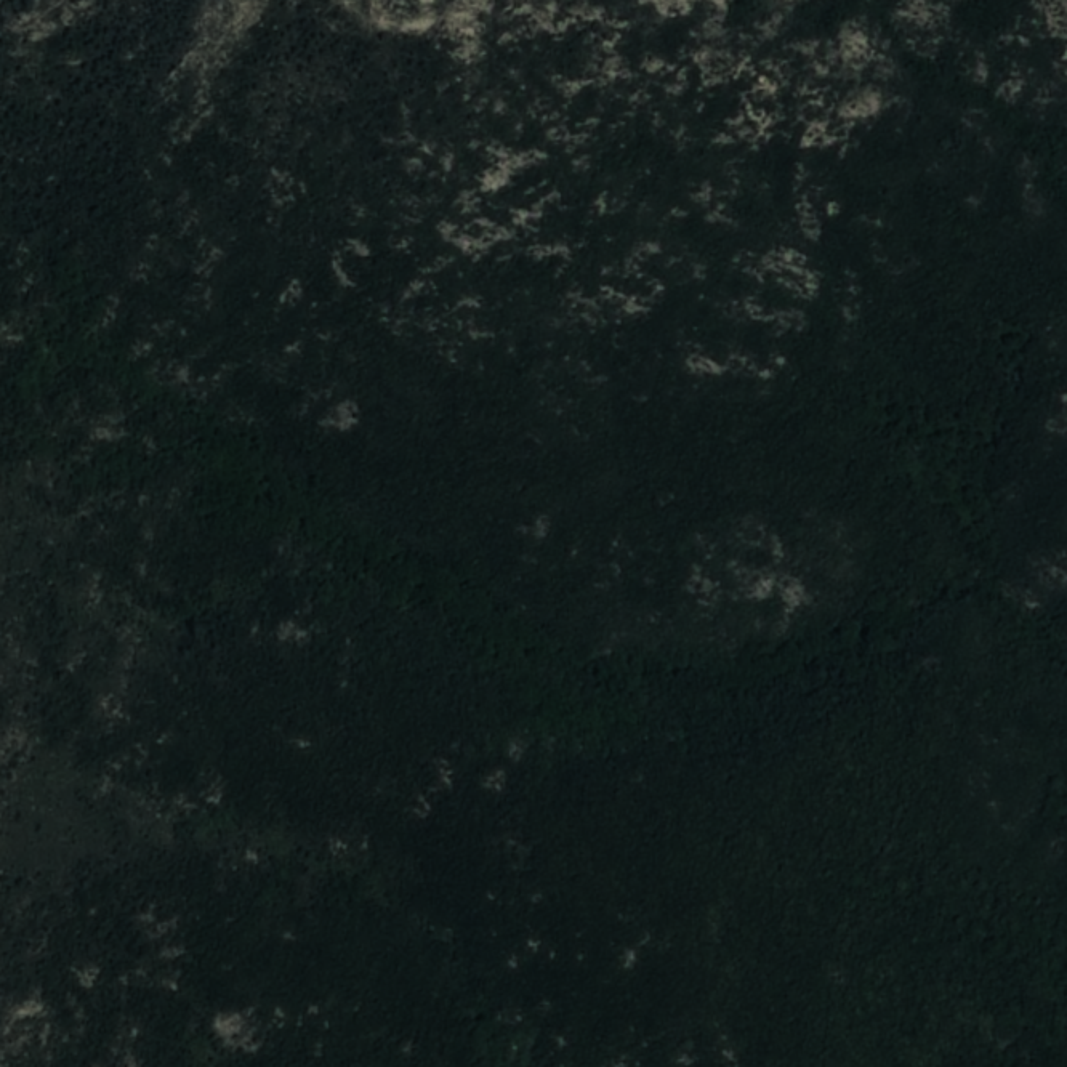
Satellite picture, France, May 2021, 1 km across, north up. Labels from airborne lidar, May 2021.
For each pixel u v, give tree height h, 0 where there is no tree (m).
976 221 11
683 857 10
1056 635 8
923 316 9
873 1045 8
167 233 8
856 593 10
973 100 10
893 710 11
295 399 10
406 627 8
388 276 9
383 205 6
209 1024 7
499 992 8
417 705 11
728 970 9
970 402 13
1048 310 10
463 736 10
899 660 13
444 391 8
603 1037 9
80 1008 9
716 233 10
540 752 11
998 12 7
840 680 10
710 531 9
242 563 6
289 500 27
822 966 11
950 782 6
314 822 8
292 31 13
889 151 6
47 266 7
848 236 7
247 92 12
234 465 20
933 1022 13
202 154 6
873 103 0
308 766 6
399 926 7
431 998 9
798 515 6
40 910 7
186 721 7
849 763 11
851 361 7
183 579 8
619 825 11
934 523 7
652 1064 12
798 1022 11
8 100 9
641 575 7
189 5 11
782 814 7
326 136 10
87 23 10
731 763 15
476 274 5
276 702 8
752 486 6
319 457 13
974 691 7
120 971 8
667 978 11
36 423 6
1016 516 7
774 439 13
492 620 27
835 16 9
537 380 6
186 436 11
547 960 7
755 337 7
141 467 20
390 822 8
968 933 11
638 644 6
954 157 14
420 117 11
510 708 13
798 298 6
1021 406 11
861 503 12
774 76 7
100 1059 10
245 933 10
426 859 8
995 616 13
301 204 6
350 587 8
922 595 11
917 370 12
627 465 9
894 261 7
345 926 7
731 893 10
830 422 9
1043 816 10
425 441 9
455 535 10
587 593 7
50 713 11
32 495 6
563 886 11
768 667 24
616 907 9
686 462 11
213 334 7
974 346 12
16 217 15
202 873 6
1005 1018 16
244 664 10
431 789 7
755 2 8
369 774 6
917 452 22
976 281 6
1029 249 6
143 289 8
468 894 8
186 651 16
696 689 10
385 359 9
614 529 6
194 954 7
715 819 11
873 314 7
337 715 9
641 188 6
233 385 7
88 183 9
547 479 9
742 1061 9
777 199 7
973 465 19
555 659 16
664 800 8
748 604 5
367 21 0
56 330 6
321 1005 8
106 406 6
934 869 14
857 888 14
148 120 7
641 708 10
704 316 6
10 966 7
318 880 7
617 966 6
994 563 20
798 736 11
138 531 7
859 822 9
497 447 8
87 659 7
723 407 7
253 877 9
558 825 10
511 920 9
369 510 7
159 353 8
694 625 7
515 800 8
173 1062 7
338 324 8
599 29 12
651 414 9
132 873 6
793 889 13
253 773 8
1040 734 6
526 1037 17
